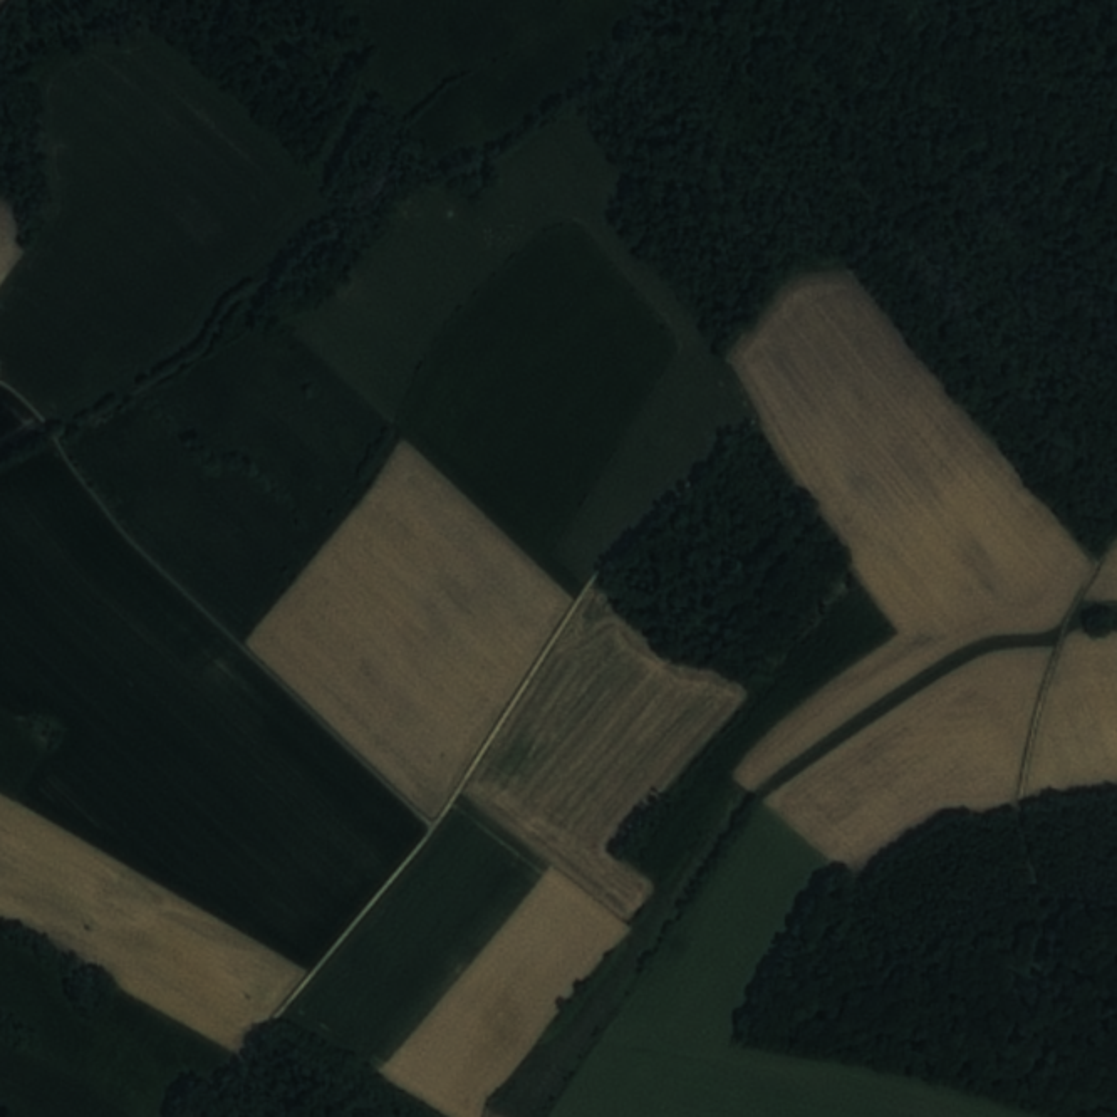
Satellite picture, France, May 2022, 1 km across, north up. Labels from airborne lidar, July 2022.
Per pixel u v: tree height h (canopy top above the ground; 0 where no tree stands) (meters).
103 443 0
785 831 0
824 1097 0
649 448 0
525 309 0
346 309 0
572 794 0
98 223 0
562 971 0
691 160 28
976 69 31
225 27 29
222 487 0
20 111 23
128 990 0
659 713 0
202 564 0
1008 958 27
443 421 0
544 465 0
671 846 8
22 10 12
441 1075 0
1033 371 9
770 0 24
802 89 23
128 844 0
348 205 17
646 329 0
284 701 0
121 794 0
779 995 27
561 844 0
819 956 23
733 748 7
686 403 0
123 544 0
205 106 0
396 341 0
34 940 20
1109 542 13
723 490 19
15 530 0
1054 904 23
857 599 7
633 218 10
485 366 0
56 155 0
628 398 0
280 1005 0
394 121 22
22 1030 12
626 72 25
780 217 11
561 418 0
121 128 0
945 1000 25
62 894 0
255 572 0
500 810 0
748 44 17
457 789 0
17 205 7
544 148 0
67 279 0
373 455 8
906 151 31
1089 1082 33
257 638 0
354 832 0
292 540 0
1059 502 16
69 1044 0
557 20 0
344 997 0
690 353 0
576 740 0
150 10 9
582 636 0
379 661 0
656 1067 0
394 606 0
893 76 26
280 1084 26
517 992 0
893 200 28
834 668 7
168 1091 0
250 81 25
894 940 17
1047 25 21
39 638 0
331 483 0
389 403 0
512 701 0
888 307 20
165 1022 0
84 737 0
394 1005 0
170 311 0
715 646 23
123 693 0
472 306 0
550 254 0
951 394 14
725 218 27
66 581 0
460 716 0
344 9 24
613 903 0
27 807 0
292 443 0
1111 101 24
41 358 0
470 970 0
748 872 0
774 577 29
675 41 21
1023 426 29
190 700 0
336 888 0
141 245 0
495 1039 0
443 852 0
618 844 12
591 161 0
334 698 0
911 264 21
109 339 0
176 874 0
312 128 18
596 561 0
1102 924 23
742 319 21
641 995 0
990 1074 31
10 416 0
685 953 0
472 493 0
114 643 0
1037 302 29
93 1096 0
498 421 0
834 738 0
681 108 22
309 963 0
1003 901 16
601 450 0
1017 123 25
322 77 13
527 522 0
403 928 0
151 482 0
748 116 7
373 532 0
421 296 0
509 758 0
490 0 0
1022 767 0
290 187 0
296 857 0
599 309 0
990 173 28
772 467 10
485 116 0
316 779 0
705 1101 0
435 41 0
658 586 27
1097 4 27
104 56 0
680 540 6
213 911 0
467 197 13
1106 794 17
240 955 0
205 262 0
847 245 11
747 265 20
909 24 21
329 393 0
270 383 0
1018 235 24
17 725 0
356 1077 11
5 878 0
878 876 14
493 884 0
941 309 27
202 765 0
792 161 10
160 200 0
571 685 0
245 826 0
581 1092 0
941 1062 30
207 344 9
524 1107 0
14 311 0
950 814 12
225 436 0
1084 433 8
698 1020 0
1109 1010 33
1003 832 17
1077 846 16
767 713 8
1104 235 15
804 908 19
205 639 0
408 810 0
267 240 0
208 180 0
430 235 0
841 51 29
